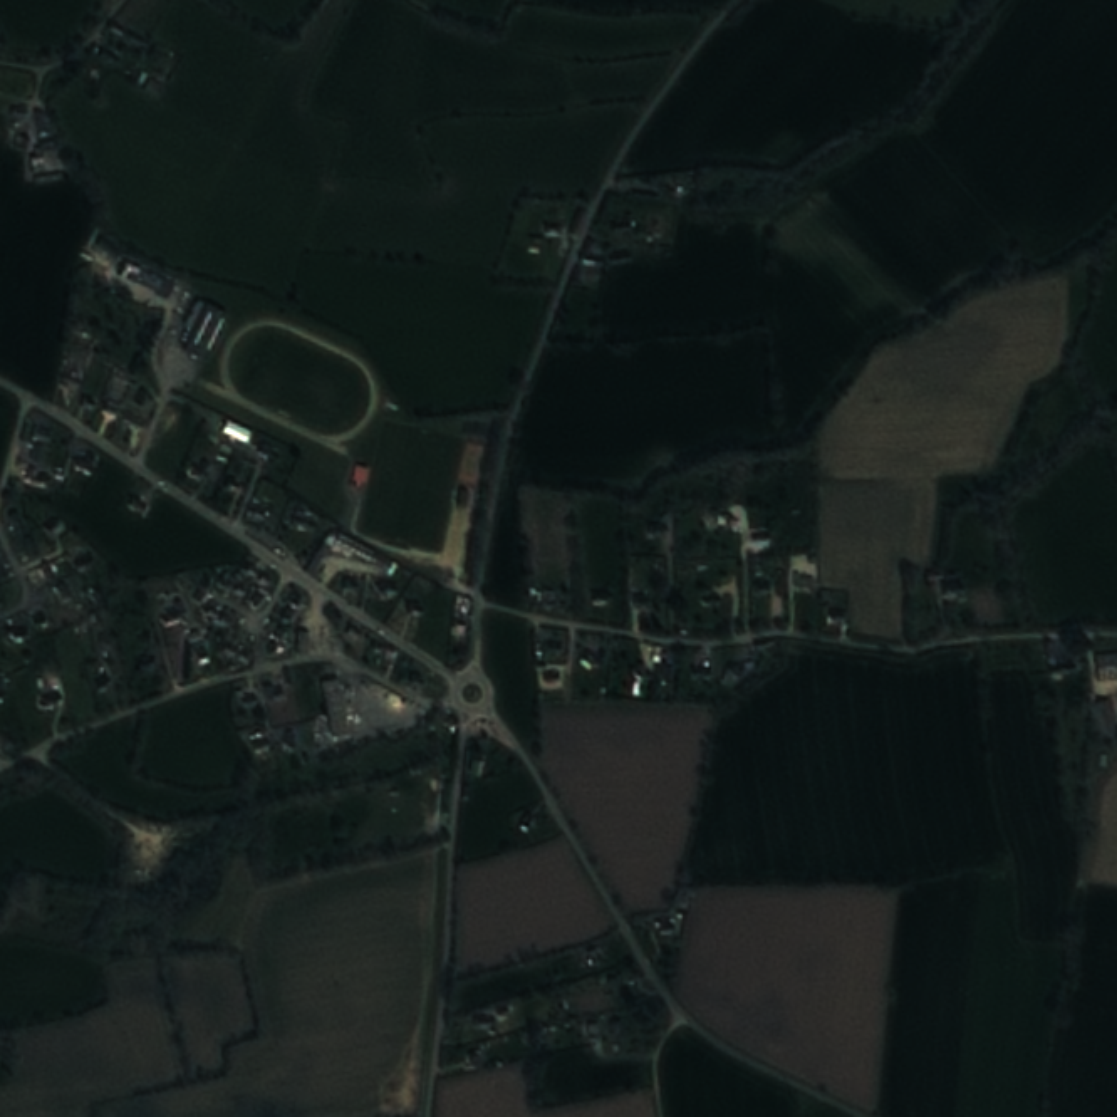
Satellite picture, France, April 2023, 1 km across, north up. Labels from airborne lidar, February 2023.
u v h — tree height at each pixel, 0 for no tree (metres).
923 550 0
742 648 0
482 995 0
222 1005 0
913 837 0
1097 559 0
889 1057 0
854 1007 0
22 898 28
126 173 0
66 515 0
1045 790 0
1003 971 0
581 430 0
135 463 0
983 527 23
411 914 0
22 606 0
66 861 0
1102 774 0
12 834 0
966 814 0
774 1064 0
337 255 0
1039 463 9
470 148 0
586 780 0
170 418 0
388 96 0
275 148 0
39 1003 0
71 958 0
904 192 0
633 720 0
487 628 0
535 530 21
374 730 0
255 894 0
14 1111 0
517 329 0
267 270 0
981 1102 0
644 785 0
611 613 0
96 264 0
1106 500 0
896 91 0
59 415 0
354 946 0
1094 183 0
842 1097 0
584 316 0
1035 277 9
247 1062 0
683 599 10
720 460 14
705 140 0
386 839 0
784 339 0
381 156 0
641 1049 7
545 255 0
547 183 0
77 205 0
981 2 17
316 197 0
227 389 0
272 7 0
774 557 8
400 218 0
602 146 0
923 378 0
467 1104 0
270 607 0
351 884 0
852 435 0
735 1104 0
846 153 9
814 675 0
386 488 0
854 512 0
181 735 0
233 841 12
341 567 0
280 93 0
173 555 0
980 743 0
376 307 0
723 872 0
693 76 0
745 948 0
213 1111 0
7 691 0
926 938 0
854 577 0
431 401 0
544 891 0
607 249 6
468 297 0
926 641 10
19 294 0
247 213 0
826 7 0
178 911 15
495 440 14
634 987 0
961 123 0
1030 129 0
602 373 0
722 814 0
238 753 0
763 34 0
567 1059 0
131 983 0
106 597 6
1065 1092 0
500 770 0
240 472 0
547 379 0
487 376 0
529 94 0
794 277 0
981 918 0
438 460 0
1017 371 0
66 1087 0
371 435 0
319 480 0
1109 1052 0
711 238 0
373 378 0
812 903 0
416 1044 0
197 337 0
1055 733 12
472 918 0
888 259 0
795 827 0
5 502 6
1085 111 0
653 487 14
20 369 0
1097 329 0
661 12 7
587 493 10
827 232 0
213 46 0
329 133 0
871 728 0
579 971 0
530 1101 10
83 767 0
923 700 0
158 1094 7
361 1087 0
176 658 0
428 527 0
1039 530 0
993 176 0
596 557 0
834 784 0
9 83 0
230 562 0
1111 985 0
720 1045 0
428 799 0
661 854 0
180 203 0
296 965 0
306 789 11
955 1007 0
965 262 0
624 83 0
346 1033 0
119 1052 0
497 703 0
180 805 0
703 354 0
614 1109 0
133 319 15
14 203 0
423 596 0
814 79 0
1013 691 0
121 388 0
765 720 0
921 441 0
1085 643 19
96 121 0
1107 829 0
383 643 0
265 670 0
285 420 0
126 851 15
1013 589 9
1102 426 25
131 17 0
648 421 0
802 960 0
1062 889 0
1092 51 0
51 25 0
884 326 0
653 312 0
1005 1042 0
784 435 0
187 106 0
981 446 0
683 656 8
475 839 0
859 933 0
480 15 0
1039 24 0
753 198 9
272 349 0
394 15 0
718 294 0
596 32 0
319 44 0
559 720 0
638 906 0
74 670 0
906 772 0
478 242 0
